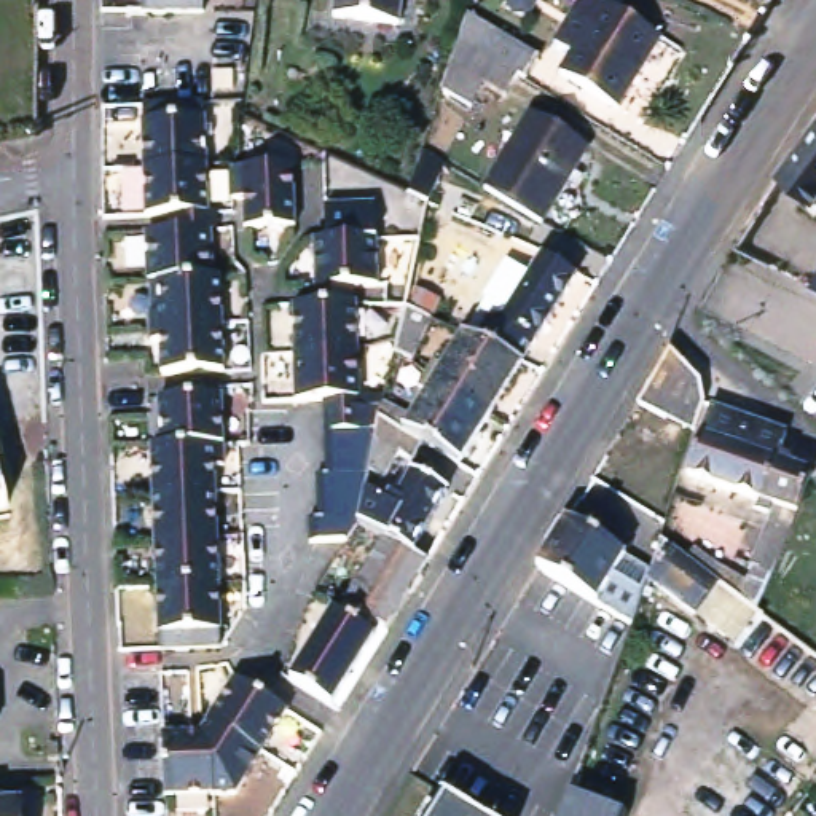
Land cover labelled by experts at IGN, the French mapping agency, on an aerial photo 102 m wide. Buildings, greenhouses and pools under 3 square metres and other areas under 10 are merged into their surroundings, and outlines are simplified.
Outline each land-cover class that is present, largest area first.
<instances>
[{"label":"impervious surface","instance_id":"1","mask_svg":"<svg viewBox=\"0 0 816 816\"><path fill-rule=\"evenodd\" d=\"M41 10L35 13V35L41 45V77L35 83V112L16 115L26 128L22 137L0 140V411L13 405L16 421H45L48 427H54L61 449L70 456L67 465L73 469V475L64 485L48 488L57 497L54 507L64 523V539H54L51 545L73 548V558H61L54 561V567L57 590L51 596H0V787H13L22 797H32L38 787H45L41 816H379L392 800L395 787L402 784V778H408L411 771L418 775V781L427 784L430 794L443 781H449L478 797L481 803L500 810L504 816H551L558 813L564 794L577 784L583 765L590 733L618 657V647L628 641V628L634 618L599 593L590 602H583L574 593H564L558 583L536 571V558H545L548 539L555 526L564 520L567 507L596 516L622 542L628 555L650 561L647 548L650 542L663 539V526L676 529V504H704L701 491L682 485L685 453L692 443H701L698 430H682L676 440H669L663 434L660 418L641 411L634 418L638 386L653 367L660 347L676 344L698 367L708 405L717 398V392L759 398L784 411H794L797 427L816 440V271L810 274V281H800L765 261L733 268L724 261L730 249H736L746 239V230L765 207L778 182V169L784 163H797V143H816V0H768V6H775V16L765 35L759 38L752 61H724L717 83L692 112L685 131L679 134L653 128L644 118L650 96L663 86H673V64L685 54L682 48L660 38L641 64V70L634 73L625 96L612 99L590 77L564 67V10L555 0H536V6L542 13L536 35L548 45L545 51H539L532 57L536 77L551 92L574 99L590 118L612 121L615 128L628 131L631 137L657 150L663 156L666 175L660 185L650 188L634 210H622L593 191V182L599 175L596 169L583 166V156L574 163V172L561 185L558 201L542 214L491 185H481V191L491 194V201L500 210L520 217L526 230L542 233V245L548 252H558L577 274L567 281L564 293L558 296V306L545 316L536 338L526 341V347L513 360L497 395L485 405V414L478 418L472 437L462 446H456L430 424L411 418L402 421V434L421 443L414 456L418 462L434 465L446 478H453L456 472L469 478L462 494L434 491L430 516L405 529L357 513L344 532H309L306 516L316 500V465L322 462V402L290 408L258 405V398H290L300 392L293 383L290 306L281 303L271 316L274 351L268 354H252L245 347L249 319H230V357L242 363V373L226 376L233 418L230 430L220 437V446L226 449L223 494L230 536V625L220 638L214 622H201L191 615L159 622L156 593L150 587L118 583L112 574L115 529L128 532V526L156 523L153 507L159 504V497L147 491L143 481V475H153L150 459L115 456L108 446L105 421L112 411H147V424L156 430L166 424V418L159 414V392L166 379L159 376L150 379L140 373L137 363L108 357L112 344H143L153 351L163 347V335H153L147 328V303L137 296L134 284H128L121 293L105 290V268H140L147 261L143 236L121 239L115 255H99L105 223L150 220L175 210H207L214 201L220 204V214L233 217L245 207V194L230 188L226 169L233 163L252 159L249 150L265 143L268 137V128L255 124L261 118L258 105H214L217 169L210 172V185L194 201L169 198L159 204H147L143 102H105L102 86L134 83L143 89H172L179 86V73L191 70L194 64H207L214 89H239L245 83L242 57L252 54L255 13L245 10L242 0H38ZM580 204H590L599 214L625 223V233L609 255L587 252V239L571 226ZM733 341H749L775 360L794 367V389L781 392L768 373L755 370L740 351L730 347ZM341 577L347 580V590L367 593L376 625L360 644L341 682L328 692L319 685L316 676L303 673L296 663L319 618L325 615V606L332 602ZM233 669L239 676H249L252 682L261 679L265 689L287 704V711L274 717L271 736L261 743L249 771L233 787H188L163 794L156 778L163 775L169 755L163 736L166 717L194 714L204 704L217 701ZM306 22H344L360 29L363 54H373L376 32H402L398 16L376 10L363 0H316V10L306 16ZM296 147L303 153V214H296L293 220L274 214L249 217L245 230H258L261 245H277L281 233L290 226L306 236L309 226L325 217L332 191L373 188L386 201V223H395L398 236L421 239V223H424V217H434V220H437V255H434L430 261H424V258H418V255L411 265V281L440 284L456 300L453 316H469L472 309L504 306L520 287L523 274L532 268L539 249L523 239L481 233V223L475 220L472 207L462 201V188L453 182H434L421 194L414 188H398L389 182L360 172L328 156L322 147H312L309 140L296 137ZM787 695L806 704V711L778 740V752L797 765V771H791V781L797 787L816 778V650L784 625H778L771 615H765L762 625L736 647Z\"/></svg>","mask_w":816,"mask_h":816},{"label":"building","instance_id":"2","mask_svg":"<svg viewBox=\"0 0 816 816\"><path fill-rule=\"evenodd\" d=\"M376 10L398 16L402 10H408V0H363ZM523 13L536 6V0H510ZM564 10V67L590 77L612 99L625 96L634 73L641 70V64L660 38L657 22L638 16L634 6L622 10L615 0H555ZM539 51L504 35L481 16L465 13L440 83L443 99L472 108L475 96H485V80L504 86L507 80L523 83L526 77H536L532 57ZM214 89L207 64H194L191 70L179 73V86L172 89H143L134 83L102 86L105 102H143L147 204H159L169 198L194 201L210 185V172L217 169L214 105ZM590 143L580 134H574L561 118L539 112L532 102L516 121L510 143L494 156L491 185L542 214L558 201L561 185L574 172V163L583 156ZM252 159L233 163L226 169L230 188L245 194V207L249 217L274 214L293 220L296 214H303V153L296 147V137L290 131H274L268 137L265 143L249 150ZM421 159L414 175H392L389 182L398 188H414L421 194L434 182H440V169L449 159L446 150L434 143L418 147ZM778 182L787 188L794 201L806 204L810 214H816V143H797V163H784L778 169ZM306 236L316 252V271L309 274L306 287L293 293L290 306L293 383L300 392L290 398H258V405L290 408L322 402V462L316 465V500L306 516L309 532H344L357 513L405 529L430 516L434 491L462 494L469 478L456 472L453 478H446L434 465L418 462L414 456L421 443L402 434V421L411 418L430 424L456 446H462L472 437L478 418L485 414V405L497 395L513 360L526 347V341L536 338L545 316L558 306V296L564 293L567 281L577 274L558 252H548L542 245L539 249L532 268L523 274L520 287L504 306L472 309L469 316H453L456 300L440 284L411 281V265L418 255V245H421V239L398 236L395 223H386V201L373 188L332 191L325 217L309 226ZM147 261L140 268L143 281L134 284L137 296L147 303V328L153 335H163V347L153 351L159 376L166 379L159 392V414L166 418V424L156 430L150 443V459L153 475H143V481L147 491L159 497V504L153 507L156 523L128 526V532L150 539V545L163 551L153 561L156 577L150 587L156 593L159 622L191 615L201 622H214L220 638L230 625V536L223 494L226 449L220 446V437L230 430L233 418L226 376L242 373V363L230 357V319L233 268L220 245V204L214 201L207 210H175L150 220V233L143 236ZM641 411L660 418L663 434L669 440H676L682 430H698L701 443H692L685 453L682 485L701 491L704 504H676V529L663 526V539L650 542L647 548L650 561L628 555L622 542L596 516L567 507L564 520L555 526L548 539L545 558H536V571L558 583L564 593H574L583 602H590L599 593L634 618V612H641L657 622L660 615H673V609L701 615L708 631L720 634L730 647H736L762 625L765 615L759 602L768 590V580L791 574V567L797 564L794 551H787L784 545V536L803 491L800 472H810L816 465V440L797 427L794 411H784L759 398L717 392V398L708 405L698 367L676 344L660 347L653 367L638 386L634 418ZM6 507V478L0 469V510ZM376 625L367 593L347 590V580L341 577L332 602L325 606V615L319 618L296 663L303 673L316 676L319 685L328 692L341 682L360 644ZM287 711V704L265 689L261 679L252 682L249 676H239L233 669L217 701L204 704L194 714L166 717L163 736L169 755L163 775L156 778L163 794L188 787H233L249 771L261 743L271 736L274 717ZM414 816H504L500 810L481 803L478 797L449 781H443L430 794L418 803ZM551 816H631V810L618 800L577 784L564 794L558 813ZM45 787H38L32 797H22L13 787H0V816H41Z\"/></svg>","mask_w":816,"mask_h":816},{"label":"pervious surface","instance_id":"3","mask_svg":"<svg viewBox=\"0 0 816 816\"><path fill-rule=\"evenodd\" d=\"M622 10L634 6L638 16L657 22L660 38L682 48L685 54L692 48V38L701 35V22H692L682 10H660L657 0H615ZM727 16H733V22L740 26H752L743 35L746 45L736 51L733 61H752L759 38L765 35L775 16V6H768V0H704ZM485 96H475L472 108L443 99L440 118L434 121L427 131L418 134V147L434 143L446 150L449 143L462 140V128L469 121L491 118L497 115V108H504V118L516 121L532 102L539 112L561 118L574 134H580L590 143L583 156V166L596 169L599 175L618 166L634 179L647 182L650 188L660 185L666 175L663 156L657 150L631 137L628 131L615 128L612 121L590 118L574 99L551 92L536 77H526L523 83L507 80L504 86L485 80ZM724 261L733 268L765 261L800 281H810V274L816 271V214H810L806 204L794 201L787 188L778 182L765 207L746 230V239L736 249H730ZM462 201L472 207L475 220L481 223V233L523 239L539 249L542 245V233L526 230L520 217L500 210L491 201V194L481 191L462 188ZM70 456L61 449L54 427H48L45 421H16L13 405L0 411V469L6 478V507L0 510V571L54 567V561L61 558H73V548L51 545L54 539H64V523L54 507L57 497L48 488L64 485L73 475V469L67 465ZM660 628L650 638L653 653L647 657V669H634L631 692L622 698L625 704L612 720L615 733L625 736V746H609L606 759L583 765L577 784L618 800L631 810V816H816V778L797 787L791 781V771H797V765L778 752V740L806 711V704L787 695L736 647H730L720 634L708 631L701 615L673 609V615H660L657 622Z\"/></svg>","mask_w":816,"mask_h":816},{"label":"herbaceous vegetation","instance_id":"4","mask_svg":"<svg viewBox=\"0 0 816 816\"><path fill-rule=\"evenodd\" d=\"M41 10L38 0H0V140L22 137L26 128L16 115L35 112V83L41 77V45L35 35V13ZM245 10L255 13L252 54L242 57L245 83L239 89H214V105H284L296 80L316 77L328 67L351 64L354 70H360L363 92H373L383 83H405L418 92L427 118L434 121L440 118L443 99L440 83L465 13L481 16L504 35L539 51H545L548 45L536 35L542 13L536 6L523 13L510 0H408V10H402L398 16L402 32H376L373 54H363L360 29L344 22H306V16L316 10V0H242ZM752 26H740L733 22V16H727L720 22H701V35L692 38V48L685 54L673 64V86L685 96V105L692 112L717 83L724 61H733L736 51L746 45L743 35ZM516 121L504 118V108H497V115L491 118L469 121L462 128V140L449 143L446 150L449 159L440 169V182H453L462 188L481 191V185H491L494 156L510 143ZM593 191L622 210H634L650 188L647 182L634 179L618 166L599 175L593 182ZM571 226L587 239V252L609 255L625 233V223L599 214L590 204H580ZM730 347L740 351L755 370L768 373L781 392L794 389V367L775 360L749 341H733ZM803 491L784 536V545L787 551H794L797 564L791 567V574L768 580V590L759 602L765 615H771L778 625H784L816 650V465L810 472H800ZM634 669L618 657L590 733L583 765L606 759L609 746H625V736L615 733L612 720L625 704L622 698L631 692ZM430 794L427 784L418 781V775L411 771L408 778H402V784L395 787L392 800L379 816H414L418 803Z\"/></svg>","mask_w":816,"mask_h":816},{"label":"brushwood","instance_id":"5","mask_svg":"<svg viewBox=\"0 0 816 816\"><path fill-rule=\"evenodd\" d=\"M660 10H682L692 22H720L727 16L704 0H657ZM261 118L255 124L268 128V137L274 131H290L296 137L309 140L312 147H322L328 156L360 172L389 182L392 175H414L421 159L418 147V134L427 131L434 121L427 118L418 92L405 83H383L373 92H363L360 70H354L351 64L328 67L316 77L296 80L284 105H258ZM644 118L653 128L679 134L685 131L692 112L685 105V96L673 86H663L650 96ZM249 217L245 207L233 217L220 214V245L233 268L230 319H249L245 347L252 354H268L274 351L271 316L281 303L290 306L293 293L306 287L309 274L316 271V252L306 236L290 226L281 233L277 245H261L258 230H245ZM434 255H437V220H434V217H424V223H421V245H418V258H424V261H430ZM150 233V220L105 223L99 255H115L121 239L143 236ZM143 281L140 268H105V290L121 293L128 284H134ZM108 357L137 363L140 373L150 379L159 376L153 351L143 344H112ZM108 446L115 456L150 459V443L156 430L147 424V411H112L105 421ZM112 574L118 583L150 587L156 577L153 561L163 551L150 545V539L128 532L115 529ZM57 590L54 567L0 571V596H51ZM660 628L657 622L641 612H634V618L628 628V641L618 647V657L634 669H647V657L653 653L650 638Z\"/></svg>","mask_w":816,"mask_h":816}]
</instances>
